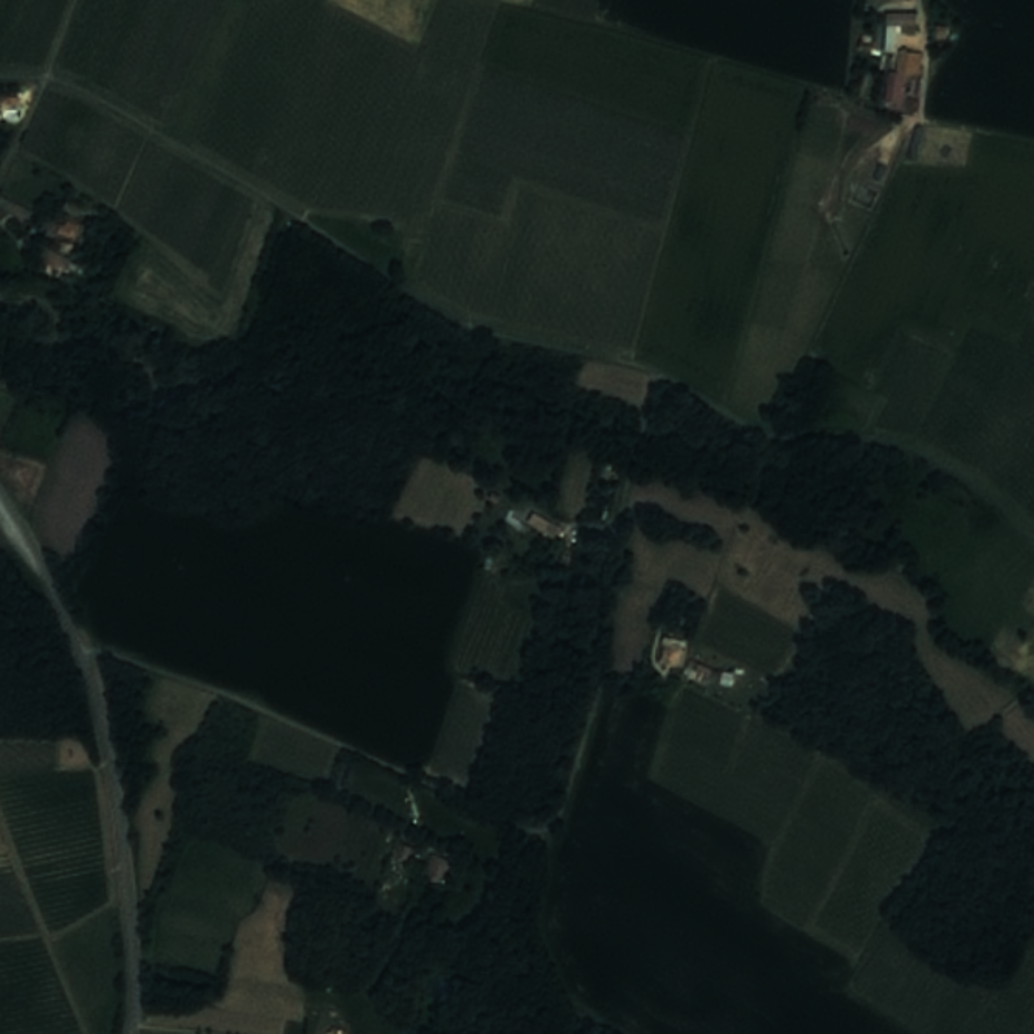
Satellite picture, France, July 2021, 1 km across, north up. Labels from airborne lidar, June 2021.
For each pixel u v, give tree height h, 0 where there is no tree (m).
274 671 0
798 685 22
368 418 25
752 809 0
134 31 0
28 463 0
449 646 0
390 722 0
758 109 0
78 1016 0
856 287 0
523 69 0
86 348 24
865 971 0
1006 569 0
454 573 0
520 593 0
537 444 25
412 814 0
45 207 8
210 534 0
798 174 0
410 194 0
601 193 0
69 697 16
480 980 26
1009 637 0
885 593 0
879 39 0
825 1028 0
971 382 0
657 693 14
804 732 21
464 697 0
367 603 0
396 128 0
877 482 22
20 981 0
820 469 22
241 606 0
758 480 19
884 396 0
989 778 18
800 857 0
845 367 0
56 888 0
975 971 22
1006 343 0
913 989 0
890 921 14
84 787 0
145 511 0
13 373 16
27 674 21
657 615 17
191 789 6
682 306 0
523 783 26
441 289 0
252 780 8
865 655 27
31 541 0
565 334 0
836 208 0
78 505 0
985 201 0
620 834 0
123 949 6
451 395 22
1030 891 25
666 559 0
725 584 0
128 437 21
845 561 17
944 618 6
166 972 6
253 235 0
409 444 23
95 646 0
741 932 0
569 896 0
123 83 0
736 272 0
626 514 7
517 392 24
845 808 0
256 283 9
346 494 25
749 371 0
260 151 0
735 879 0
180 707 0
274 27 0
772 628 0
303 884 21
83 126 0
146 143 0
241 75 0
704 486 14
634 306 0
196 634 0
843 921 0
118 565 0
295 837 0
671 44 0
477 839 0
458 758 0
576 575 7
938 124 0
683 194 0
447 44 0
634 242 0
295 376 24
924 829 0
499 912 26
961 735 10
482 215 0
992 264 0
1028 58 0
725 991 0
